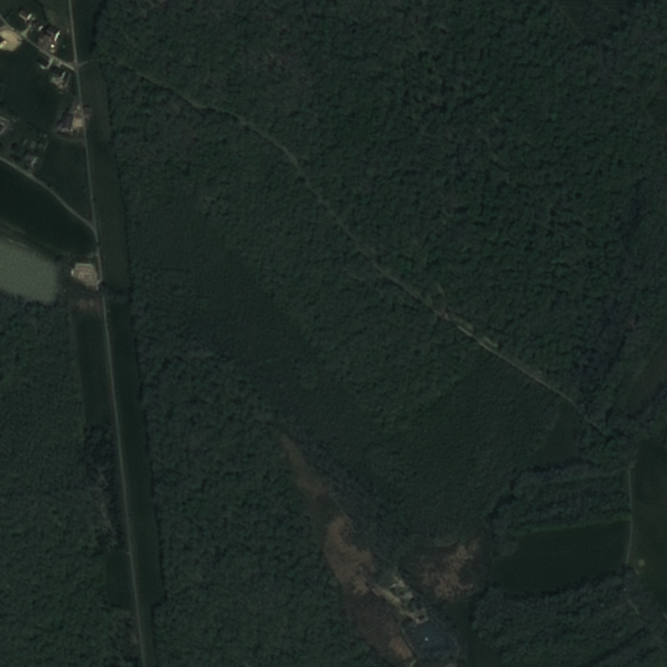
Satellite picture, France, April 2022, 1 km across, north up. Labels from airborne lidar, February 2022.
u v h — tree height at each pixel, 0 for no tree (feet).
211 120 82
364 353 86
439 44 94
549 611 71
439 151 77
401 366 85
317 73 84
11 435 75
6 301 85
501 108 89
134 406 0
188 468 104
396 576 0
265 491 92
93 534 107
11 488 73
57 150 0
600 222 83
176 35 87
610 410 84
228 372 101
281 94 97
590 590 72
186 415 80
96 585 62
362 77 72
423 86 85
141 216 51
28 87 0
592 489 68
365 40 81
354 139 80
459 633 71
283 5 90
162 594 0
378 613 0
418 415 53
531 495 75
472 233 103
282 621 97
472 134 68
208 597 95
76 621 91
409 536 59
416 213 89
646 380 0
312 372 48
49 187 22
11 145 0
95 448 58
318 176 82
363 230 77
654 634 65
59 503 90
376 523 109
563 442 0
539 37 64
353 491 103
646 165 71
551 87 78
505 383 55
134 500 0
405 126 87
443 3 84
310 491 0
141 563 0
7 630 97
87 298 0
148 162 81
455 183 79
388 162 94
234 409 83
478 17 66
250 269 64
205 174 75
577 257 88
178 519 93
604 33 0
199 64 93
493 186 88
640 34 103
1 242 0
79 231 0
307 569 90
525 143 92
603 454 77
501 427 47
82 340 0
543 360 71
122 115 94
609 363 90
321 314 72
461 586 0
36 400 79
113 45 98
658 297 74
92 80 0
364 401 65
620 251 87
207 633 100
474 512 51
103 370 0
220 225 61
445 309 62
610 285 83
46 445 77
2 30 0
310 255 80
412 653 0
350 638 91
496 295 95
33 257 0
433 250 77
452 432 44
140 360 52
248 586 100
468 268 73
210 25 97
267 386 52
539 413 51
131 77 95
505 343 79
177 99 87
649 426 75
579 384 89
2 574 97
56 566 90
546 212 81
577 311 94
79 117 0
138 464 0
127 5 99
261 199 75
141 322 83
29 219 0
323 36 84
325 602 96
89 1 0
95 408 0
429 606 73
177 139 94
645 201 75
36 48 0
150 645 0
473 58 88
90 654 84
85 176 0
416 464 45
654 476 0
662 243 92
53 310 63
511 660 82
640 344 89
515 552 62
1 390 79
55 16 0
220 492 88
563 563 0
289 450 0
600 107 80
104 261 0
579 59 92
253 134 74
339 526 0
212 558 93
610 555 0
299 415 48
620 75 85
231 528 84
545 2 61
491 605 67
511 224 86
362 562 0
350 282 85
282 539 109
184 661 86
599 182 81
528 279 85
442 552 0
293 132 74
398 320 75
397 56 108
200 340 61
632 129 82
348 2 90
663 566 0
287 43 74
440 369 67
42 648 92
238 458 68
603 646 45
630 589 71
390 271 67
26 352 84
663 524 0
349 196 72
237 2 86
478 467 51
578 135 77
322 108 86
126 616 0
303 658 77
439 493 49
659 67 87
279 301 70
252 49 92
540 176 88
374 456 70
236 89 77
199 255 34
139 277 58
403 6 92
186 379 100
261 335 39
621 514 73
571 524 70
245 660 95
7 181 0
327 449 42
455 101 81
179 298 63
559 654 78
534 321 85
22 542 78
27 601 89
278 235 77
